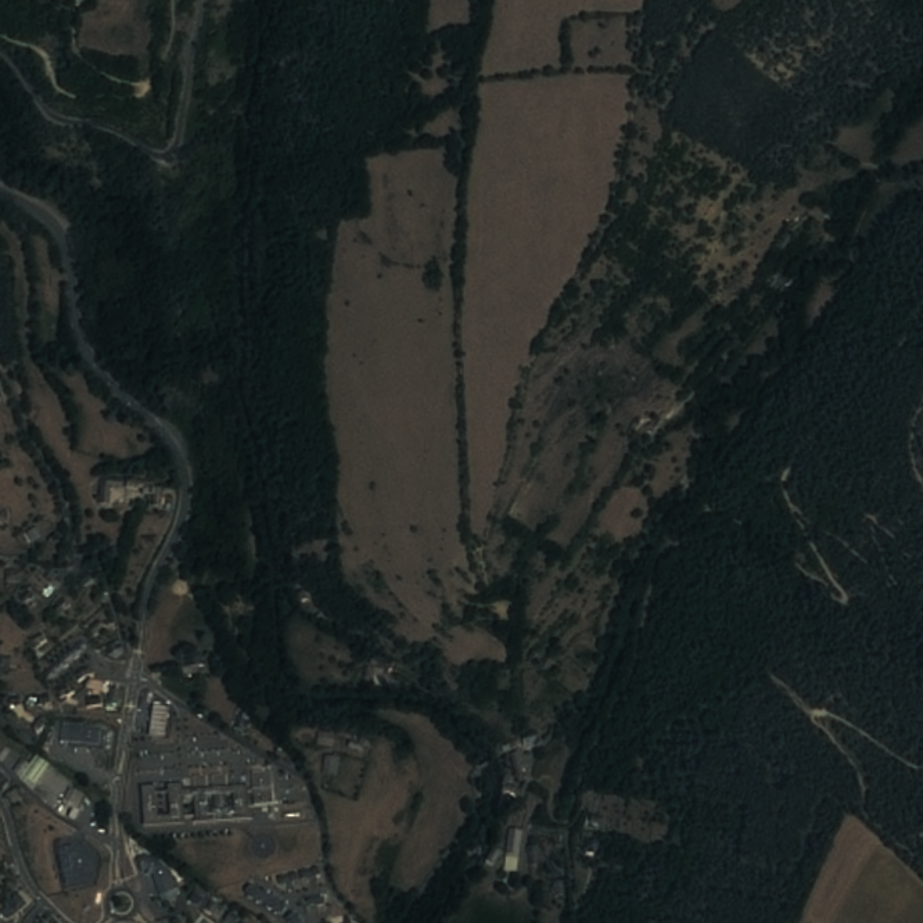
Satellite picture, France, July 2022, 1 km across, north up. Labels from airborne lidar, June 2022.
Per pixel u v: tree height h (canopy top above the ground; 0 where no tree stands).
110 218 18
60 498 13
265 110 23
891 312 12
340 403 0
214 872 0
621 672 15
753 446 12
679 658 11
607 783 12
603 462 0
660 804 6
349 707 21
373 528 0
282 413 12
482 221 0
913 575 9
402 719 0
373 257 0
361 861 0
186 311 12
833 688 11
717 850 11
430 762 0
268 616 16
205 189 7
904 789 11
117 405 16
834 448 15
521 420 8
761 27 11
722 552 17
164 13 9
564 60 11
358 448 0
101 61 13
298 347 20
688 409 7
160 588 11
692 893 20
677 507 17
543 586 0
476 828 16
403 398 0
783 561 24
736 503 12
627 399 0
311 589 13
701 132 17
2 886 10
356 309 0
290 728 18
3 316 19
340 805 0
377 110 13
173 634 0
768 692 13
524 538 10
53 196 9
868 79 20
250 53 15
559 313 11
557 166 0
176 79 10
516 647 16
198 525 21
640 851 6
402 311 0
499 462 0
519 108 0
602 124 0
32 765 0
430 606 0
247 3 11
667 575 13
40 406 0
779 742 21
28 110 13
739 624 13
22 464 0
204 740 0
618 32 0
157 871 0
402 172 0
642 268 12
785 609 22
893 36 16
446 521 0
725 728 12
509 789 0
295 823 0
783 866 20
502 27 0
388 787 0
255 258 35
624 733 16
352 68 15
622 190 7
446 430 0
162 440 22
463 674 10
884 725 14
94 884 0
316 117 7
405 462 0
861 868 0
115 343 17
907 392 15
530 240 0
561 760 0
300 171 16
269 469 21
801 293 21
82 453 0
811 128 7
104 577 7
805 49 6
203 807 0
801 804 19
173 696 0
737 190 7
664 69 9
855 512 14
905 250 14
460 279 10
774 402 12
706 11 11
